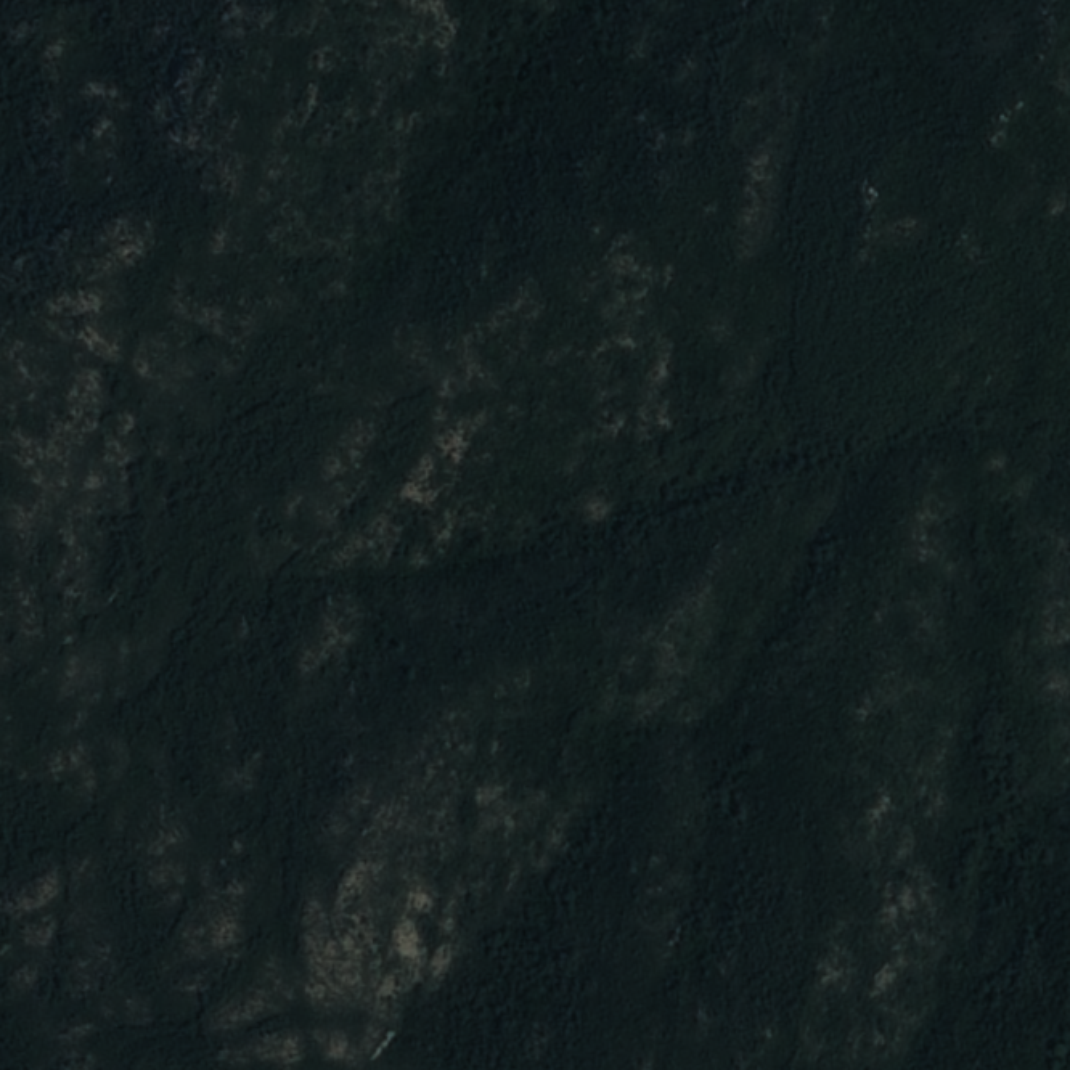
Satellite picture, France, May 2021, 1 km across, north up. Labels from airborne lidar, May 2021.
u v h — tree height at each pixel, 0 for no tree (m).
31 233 14
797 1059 12
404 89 9
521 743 6
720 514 7
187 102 6
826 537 9
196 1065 11
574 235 7
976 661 7
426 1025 6
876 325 10
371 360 8
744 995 8
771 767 7
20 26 10
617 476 5
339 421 8
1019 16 7
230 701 7
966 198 8
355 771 7
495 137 13
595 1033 8
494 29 8
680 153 8
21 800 12
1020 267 10
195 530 9
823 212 13
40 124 9
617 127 6
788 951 10
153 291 9
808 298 11
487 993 15
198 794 10
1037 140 8
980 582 11
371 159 6
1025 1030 12
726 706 9
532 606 9
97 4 13
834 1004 8
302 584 14
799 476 15
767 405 14
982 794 8
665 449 18
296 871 14
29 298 8
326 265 17
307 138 10
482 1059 13
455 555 7
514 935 9
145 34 9
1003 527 8
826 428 9
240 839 9
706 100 7
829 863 7
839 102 16
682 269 7
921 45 10
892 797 6
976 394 16
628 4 7
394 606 7
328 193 9
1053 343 10
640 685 6
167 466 15
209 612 14
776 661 7
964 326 10
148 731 9
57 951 8
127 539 14
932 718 8
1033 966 25
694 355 8
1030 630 7
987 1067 6
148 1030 10
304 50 5
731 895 6
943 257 9
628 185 11
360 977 0
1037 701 10
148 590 13
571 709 9
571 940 6
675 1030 8
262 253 7
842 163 12
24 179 11
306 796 11
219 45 11
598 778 6
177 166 9
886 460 7
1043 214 5
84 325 8
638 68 6
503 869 8
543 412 6
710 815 7
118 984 9
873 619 6
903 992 7
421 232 9
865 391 13
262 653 12
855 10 9
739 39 11
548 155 10
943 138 10
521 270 10
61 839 8
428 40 7
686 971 10
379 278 6
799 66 7
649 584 6
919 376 11
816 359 13
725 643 9
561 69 9
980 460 7
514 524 7
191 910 10
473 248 7
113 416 9
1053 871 11
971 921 9
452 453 8
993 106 8
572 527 17
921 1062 7
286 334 9
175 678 10
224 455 9
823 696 5
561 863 10
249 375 10
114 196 10
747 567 8
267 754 14
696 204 8
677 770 7
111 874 7
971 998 10
